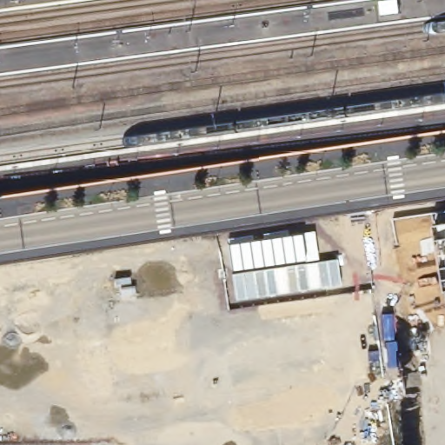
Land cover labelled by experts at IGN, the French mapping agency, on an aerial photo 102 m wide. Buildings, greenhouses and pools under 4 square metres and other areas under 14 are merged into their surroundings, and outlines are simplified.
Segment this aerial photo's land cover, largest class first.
<instances>
[{"label":"pervious surface","instance_id":"1","mask_svg":"<svg viewBox=\"0 0 445 445\"><path fill-rule=\"evenodd\" d=\"M341 0H0V45ZM445 129V21L433 23L431 26H426L424 21L396 24L386 28L346 31L226 49L196 50L186 54L146 57L120 63L92 64L70 70L43 71L0 78V195ZM395 249H400V243H396L393 209L351 212L346 216L318 219V224L287 222L262 228L240 229L233 231L229 236L222 233L221 238L216 240H205L198 236L172 242L146 243L136 247L103 250L82 256L52 257L0 266V445H422L419 428V388L422 375L428 372L417 370L419 367H426V362H417L414 351L426 342V339L417 334V325L421 318L415 313L417 309L412 306V302H417V297L412 292L414 283L398 275Z\"/></svg>","mask_w":445,"mask_h":445},{"label":"impervious surface","instance_id":"2","mask_svg":"<svg viewBox=\"0 0 445 445\"><path fill-rule=\"evenodd\" d=\"M424 21L426 26H431L433 23L445 21V0H341L0 45V78L43 71L70 70L92 64L120 63L146 57L186 54L196 50L226 49L346 31L386 28L396 24ZM344 149H355V158L349 167L320 169L322 162L339 160ZM393 209L396 243H400V249H395L398 275L414 283L412 292L417 297V302H412V306L417 309L415 313L421 318L417 325V334L426 339V342L414 351L417 362H426V367H419L417 370L428 372L422 375L419 388V428L422 445H445V290H442L440 283V261L445 259V252L435 249L433 231H438V224L445 222V129L0 195V266L52 257L82 256L103 250L136 247L146 243L172 242L198 236L205 240H216L221 238L222 233L229 236L233 231L240 229L262 228L287 222L318 224V219L346 216L351 212Z\"/></svg>","mask_w":445,"mask_h":445},{"label":"building","instance_id":"3","mask_svg":"<svg viewBox=\"0 0 445 445\"><path fill-rule=\"evenodd\" d=\"M435 249L445 252V222L438 224V231H433ZM440 283L442 290H445V259L440 261Z\"/></svg>","mask_w":445,"mask_h":445},{"label":"deciduous trees","instance_id":"4","mask_svg":"<svg viewBox=\"0 0 445 445\"><path fill-rule=\"evenodd\" d=\"M355 158V149H344L339 160L322 162L320 169L349 167Z\"/></svg>","mask_w":445,"mask_h":445}]
</instances>
